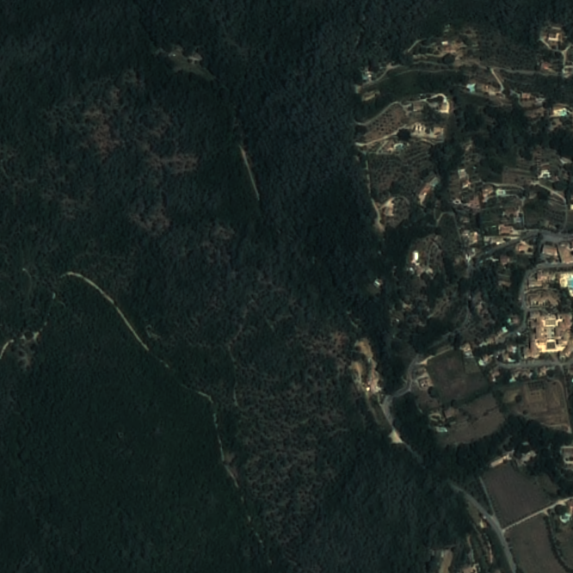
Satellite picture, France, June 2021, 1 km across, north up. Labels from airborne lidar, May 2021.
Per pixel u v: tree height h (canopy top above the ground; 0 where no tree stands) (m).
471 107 13
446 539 13
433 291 12
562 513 19
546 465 21
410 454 18
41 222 13
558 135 19
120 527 9
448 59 20
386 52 19
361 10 16
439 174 11
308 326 15
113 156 18
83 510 14
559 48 7
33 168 18
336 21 20
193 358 8
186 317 16
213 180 17
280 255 16
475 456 8
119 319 10
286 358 6
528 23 13
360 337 13
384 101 12
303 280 19
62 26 16
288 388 11
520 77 7
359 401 11
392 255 14
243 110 23
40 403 13
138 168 18
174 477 14
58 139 17
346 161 16
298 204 22
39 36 19
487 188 0
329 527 20
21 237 14
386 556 13
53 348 7
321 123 20
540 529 0
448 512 15
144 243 20
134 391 11
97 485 13
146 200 17
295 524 11
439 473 18
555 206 0
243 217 13
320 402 12
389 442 18
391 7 18
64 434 12
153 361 11
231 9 13
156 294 15
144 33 10
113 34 14
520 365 0
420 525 15
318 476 6
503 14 20
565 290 6
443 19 9
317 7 6
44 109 15
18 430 13
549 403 0
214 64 20
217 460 9
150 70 14
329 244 21
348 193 19
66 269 10
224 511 14
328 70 20
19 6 15
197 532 6
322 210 20
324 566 14
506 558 0
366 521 18
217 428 7
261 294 11
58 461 15
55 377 13
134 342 13
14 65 14
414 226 13
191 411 13
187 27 27
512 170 0
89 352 8
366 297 6
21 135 10
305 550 17
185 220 17
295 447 16
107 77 16
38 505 9
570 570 5
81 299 12
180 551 9
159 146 19
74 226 14
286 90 21
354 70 14
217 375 6
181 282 15
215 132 24
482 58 8
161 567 9
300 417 9
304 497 12
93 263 9
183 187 18
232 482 13
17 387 10
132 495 12
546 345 0
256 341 8
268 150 20
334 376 12
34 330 12
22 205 8
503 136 21
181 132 21
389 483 13
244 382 8
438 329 14
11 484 11
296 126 25
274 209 24
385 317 15
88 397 10
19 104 15
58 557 15
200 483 11
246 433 11
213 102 13
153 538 12
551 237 0
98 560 15
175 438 11
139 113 25
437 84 11
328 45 15
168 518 12
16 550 16
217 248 12
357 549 16
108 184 20
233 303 17
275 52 12
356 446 10
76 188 18
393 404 6
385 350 27
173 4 14
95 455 11
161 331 8
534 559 0
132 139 19
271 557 11
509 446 7
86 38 12
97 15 15
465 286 17
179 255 18
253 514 13
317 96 24
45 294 7
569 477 10
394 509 17
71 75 17
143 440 9
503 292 7
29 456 11
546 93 6
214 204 22
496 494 0
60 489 15
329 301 22
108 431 13
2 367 14
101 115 19
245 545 14
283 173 22
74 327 10
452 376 0
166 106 23
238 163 11
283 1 11
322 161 25
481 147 14
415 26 7
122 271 13
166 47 18
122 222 16
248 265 13
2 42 15
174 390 15
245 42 9
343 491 16
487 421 0
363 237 23
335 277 25
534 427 22
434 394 17
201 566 8
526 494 0
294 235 22
